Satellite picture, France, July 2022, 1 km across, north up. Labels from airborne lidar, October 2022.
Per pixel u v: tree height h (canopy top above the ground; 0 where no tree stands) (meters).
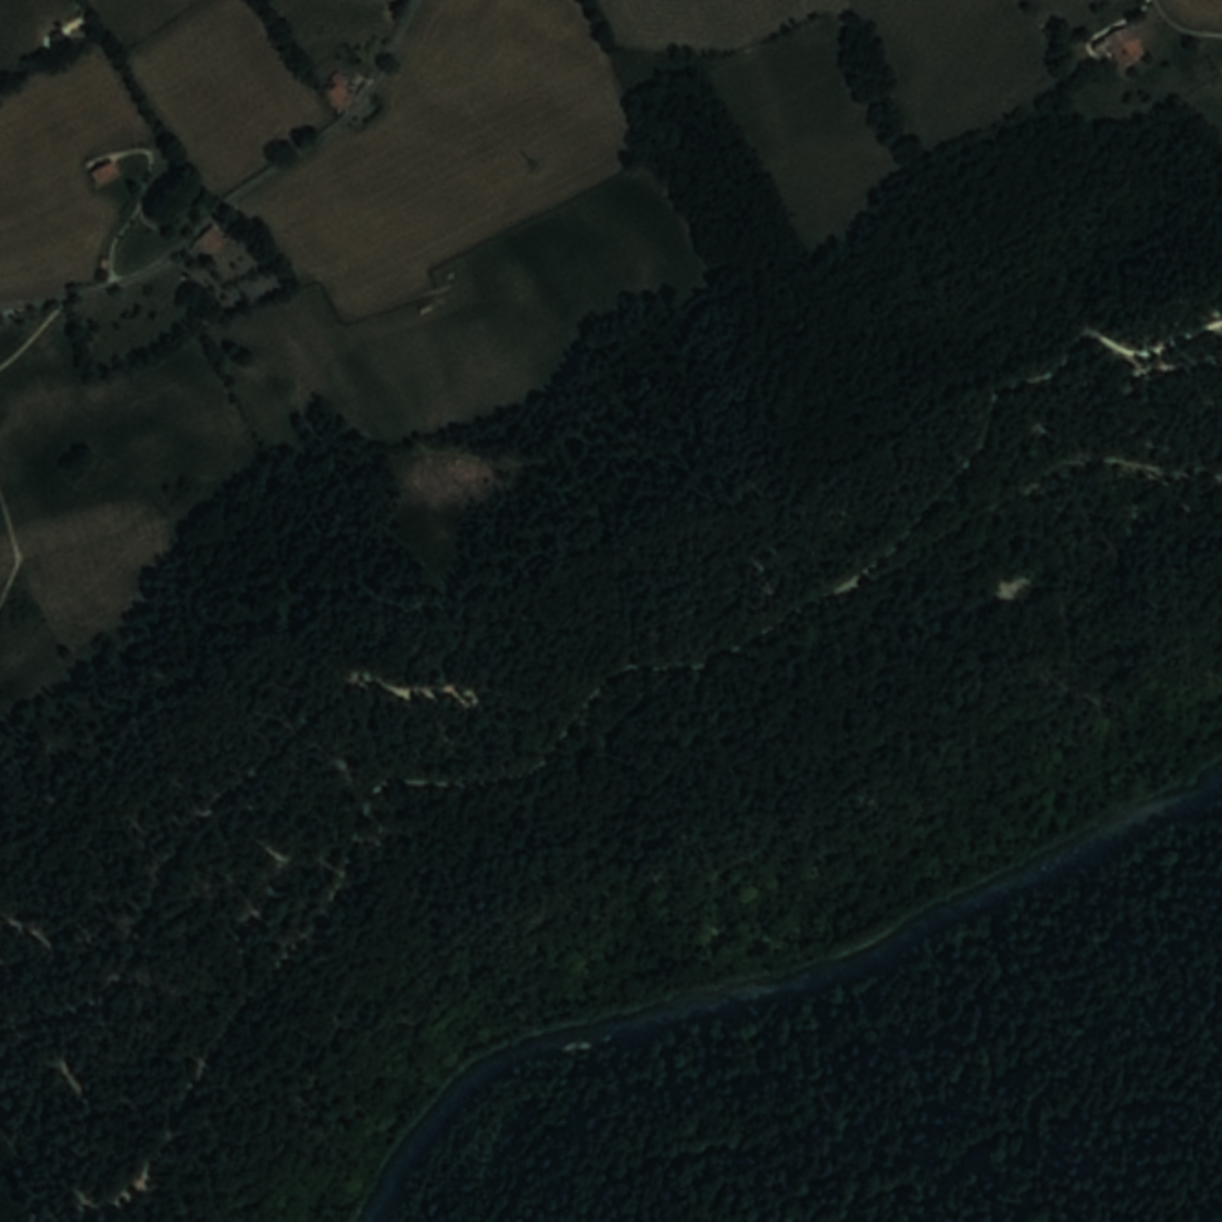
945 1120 34
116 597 0
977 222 12
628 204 0
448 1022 29
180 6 0
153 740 33
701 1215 36
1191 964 41
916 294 9
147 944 29
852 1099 46
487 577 29
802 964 7
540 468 7
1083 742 35
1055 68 22
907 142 16
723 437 26
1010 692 30
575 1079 30
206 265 19
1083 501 12
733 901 34
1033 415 14
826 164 0
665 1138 42
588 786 33
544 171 0
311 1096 32
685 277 0
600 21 7
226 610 25
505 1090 19
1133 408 19
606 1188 40
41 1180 36
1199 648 32
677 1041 24
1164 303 11
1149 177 12
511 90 0
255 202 0
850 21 16
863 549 25
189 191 29
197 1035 21
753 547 30
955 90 0
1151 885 17
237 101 0
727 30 0
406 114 0
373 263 0
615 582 28
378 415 0
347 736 29
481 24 0
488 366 0
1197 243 20
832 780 11
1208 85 0
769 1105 34
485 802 26
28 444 0
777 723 27
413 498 0
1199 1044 40
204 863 27
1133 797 8
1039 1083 34
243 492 24
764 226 22
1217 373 22
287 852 22
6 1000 26
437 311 0
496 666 28
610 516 37
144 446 0
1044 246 12
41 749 31
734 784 28
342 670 33
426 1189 17
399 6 14
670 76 14
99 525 0
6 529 0
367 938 21
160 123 11
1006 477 12
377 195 0
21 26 0
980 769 30
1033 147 12
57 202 0
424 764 10
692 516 26
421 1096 11
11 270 0
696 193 18
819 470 13
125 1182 16
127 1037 34
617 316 10
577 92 0
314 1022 22
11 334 0
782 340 20
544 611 31
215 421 0
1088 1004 38
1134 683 38
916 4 0
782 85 0
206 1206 23
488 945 40
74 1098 21
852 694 27
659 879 26
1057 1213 36
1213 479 20
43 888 29
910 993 35
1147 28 0
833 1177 27
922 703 27
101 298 0
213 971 28
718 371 22
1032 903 31
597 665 28
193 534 30
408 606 25
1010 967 35
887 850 30
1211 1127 37
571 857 30
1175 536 16
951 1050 35
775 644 27
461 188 0
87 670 23
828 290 15
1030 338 13
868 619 8
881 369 11
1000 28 0
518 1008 34
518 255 0
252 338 0
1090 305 19
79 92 0
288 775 39
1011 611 33
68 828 19
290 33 13
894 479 31
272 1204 32
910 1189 34
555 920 28
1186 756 20
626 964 27
